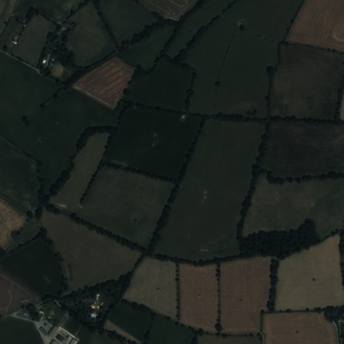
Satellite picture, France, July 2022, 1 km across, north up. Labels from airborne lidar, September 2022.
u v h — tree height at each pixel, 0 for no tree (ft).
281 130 0
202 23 0
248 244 65
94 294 18
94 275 0
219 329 55
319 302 0
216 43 0
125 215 0
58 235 0
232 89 0
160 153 0
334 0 0
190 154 24
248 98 0
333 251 0
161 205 0
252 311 0
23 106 0
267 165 0
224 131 0
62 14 0
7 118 0
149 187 0
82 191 0
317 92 0
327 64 0
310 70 0
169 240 0
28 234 0
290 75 0
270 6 0
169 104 0
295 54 0
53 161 0
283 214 0
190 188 0
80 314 50
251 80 0
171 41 48
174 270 0
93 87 0
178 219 0
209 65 0
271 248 63
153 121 0
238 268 0
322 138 0
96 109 0
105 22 20
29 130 0
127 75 0
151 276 0
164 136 0
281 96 0
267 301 0
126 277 56
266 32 0
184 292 0
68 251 0
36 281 0
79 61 0
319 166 0
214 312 0
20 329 0
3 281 0
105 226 0
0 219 0
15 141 0
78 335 0
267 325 0
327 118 0
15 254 0
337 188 0
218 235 0
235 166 0
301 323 0
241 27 52
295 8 0
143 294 0
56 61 0
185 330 0
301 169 0
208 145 0
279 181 52
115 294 18
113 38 29
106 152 23
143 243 0
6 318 0
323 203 0
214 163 0
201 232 0
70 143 0
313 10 0
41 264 0
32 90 0
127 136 0
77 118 0
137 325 0
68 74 0
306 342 0
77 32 0
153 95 0
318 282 0
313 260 0
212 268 0
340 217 0
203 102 0
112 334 63
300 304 0
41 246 0
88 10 0
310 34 0
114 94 0
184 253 0
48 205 35
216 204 0
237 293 0
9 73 0
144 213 0
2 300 0
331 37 0
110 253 0
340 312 25
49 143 0
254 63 0
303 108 0
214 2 0
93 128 46
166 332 0
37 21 0
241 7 0
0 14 0
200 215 0
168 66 0
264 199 0
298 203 0
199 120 0
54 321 0
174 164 0
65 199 0
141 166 0
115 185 0
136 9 0
